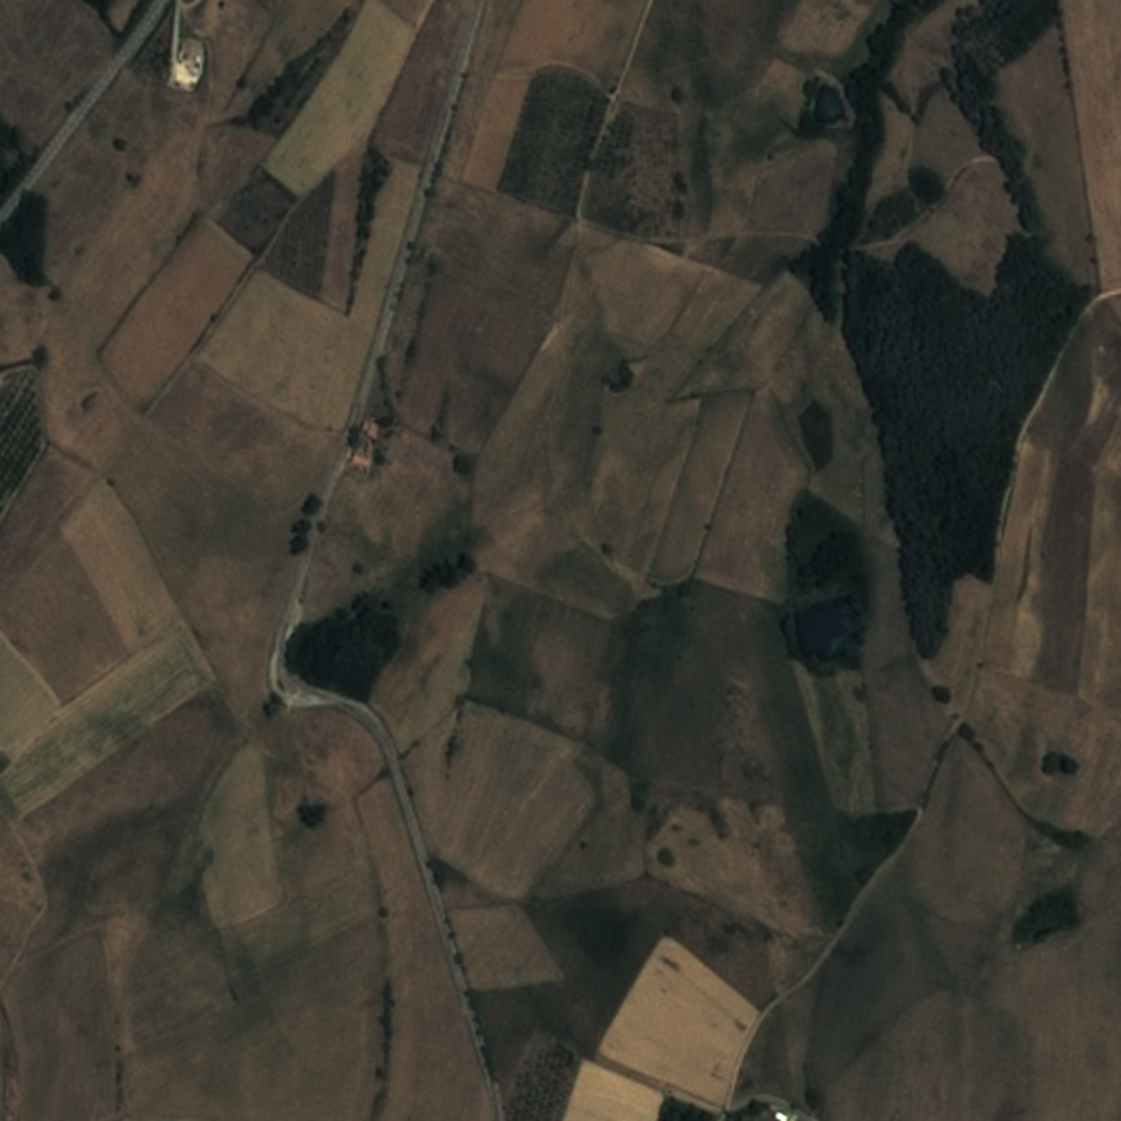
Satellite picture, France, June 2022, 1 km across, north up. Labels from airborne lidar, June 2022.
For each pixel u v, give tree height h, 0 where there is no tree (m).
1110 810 0
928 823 0
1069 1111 0
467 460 13
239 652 0
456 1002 0
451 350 0
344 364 0
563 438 0
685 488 0
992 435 15
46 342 0
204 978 0
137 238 0
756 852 0
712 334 0
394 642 8
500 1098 0
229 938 0
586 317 0
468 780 0
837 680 0
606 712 0
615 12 0
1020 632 0
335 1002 0
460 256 0
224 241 0
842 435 0
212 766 0
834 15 0
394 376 0
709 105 0
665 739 0
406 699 0
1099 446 0
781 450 0
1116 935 0
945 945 0
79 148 0
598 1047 0
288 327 0
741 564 0
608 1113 0
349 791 0
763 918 0
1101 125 0
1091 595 0
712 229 0
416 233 0
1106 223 0
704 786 0
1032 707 0
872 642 0
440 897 0
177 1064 0
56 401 0
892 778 0
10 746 0
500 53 0
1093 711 0
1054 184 0
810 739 0
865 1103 0
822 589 7
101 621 0
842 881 0
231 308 0
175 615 0
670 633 0
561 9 0
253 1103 0
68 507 0
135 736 0
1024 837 0
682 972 0
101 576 0
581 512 0
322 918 0
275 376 0
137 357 0
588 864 0
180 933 0
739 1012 0
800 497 0
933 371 15
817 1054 0
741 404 0
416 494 0
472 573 16
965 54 6
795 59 0
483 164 0
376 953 0
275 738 0
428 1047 0
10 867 0
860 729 0
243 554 0
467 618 0
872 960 0
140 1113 0
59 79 0
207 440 0
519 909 0
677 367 0
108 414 0
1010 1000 0
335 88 0
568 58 0
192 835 0
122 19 0
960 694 0
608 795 0
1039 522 0
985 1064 0
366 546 0
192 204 0
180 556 0
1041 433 0
